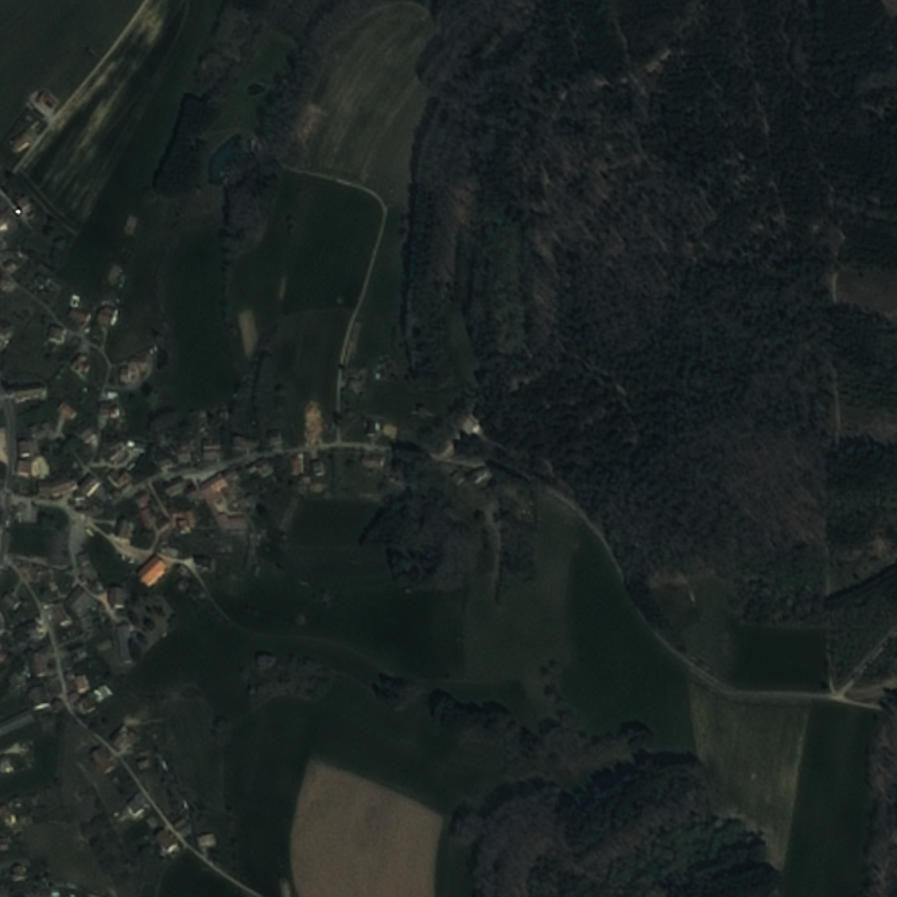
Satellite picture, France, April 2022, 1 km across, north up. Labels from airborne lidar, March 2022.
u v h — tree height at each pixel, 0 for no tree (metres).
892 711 12
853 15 19
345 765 0
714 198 20
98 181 0
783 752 0
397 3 22
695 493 29
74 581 0
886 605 19
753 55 12
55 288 0
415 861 0
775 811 0
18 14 0
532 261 27
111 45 0
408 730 0
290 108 26
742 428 26
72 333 0
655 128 9
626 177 6
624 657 0
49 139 0
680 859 11
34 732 0
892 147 22
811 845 0
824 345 28
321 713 0
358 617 0
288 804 0
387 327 0
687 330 30
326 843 0
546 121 14
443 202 29
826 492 24
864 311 0
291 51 0
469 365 0
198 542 0
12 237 0
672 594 0
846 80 23
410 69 0
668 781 29
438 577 22
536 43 15
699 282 29
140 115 0
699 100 8
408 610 0
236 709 0
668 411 20
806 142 14
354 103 0
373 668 0
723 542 28
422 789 0
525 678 0
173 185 20
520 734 14
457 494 0
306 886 0
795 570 18
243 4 19
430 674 0
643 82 26
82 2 0
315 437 0
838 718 0
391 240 0
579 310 20
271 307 0
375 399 0
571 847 20
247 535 0
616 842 19
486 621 0
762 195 6
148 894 0
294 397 0
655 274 27
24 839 7
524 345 12
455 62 30
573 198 21
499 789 0
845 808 0
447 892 0
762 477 27
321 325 0
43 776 0
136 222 0
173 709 0
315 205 0
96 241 0
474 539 27
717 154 13
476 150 34
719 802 0
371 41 0
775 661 0
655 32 17
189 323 0
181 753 0
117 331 0
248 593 0
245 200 26
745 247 6
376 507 0
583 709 0
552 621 0
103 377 0
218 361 0
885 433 0
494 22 33
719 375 16
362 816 0
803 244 11
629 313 26
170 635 0
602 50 12
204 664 0
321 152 0
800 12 14
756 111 7
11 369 0
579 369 6
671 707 0
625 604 0
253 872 0
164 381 0
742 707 0
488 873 25
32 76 0
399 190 0
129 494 0
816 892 0
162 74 0
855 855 0
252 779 0
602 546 0
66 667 0
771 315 30
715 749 0
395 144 0
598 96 24
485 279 28
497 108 20
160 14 0
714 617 0
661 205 28
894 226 12
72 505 6
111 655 0
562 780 0
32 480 8
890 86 28
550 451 15
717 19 11
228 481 0
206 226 0
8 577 0
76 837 0
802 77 11
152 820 0
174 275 0
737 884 27
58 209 0
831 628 11
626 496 26
